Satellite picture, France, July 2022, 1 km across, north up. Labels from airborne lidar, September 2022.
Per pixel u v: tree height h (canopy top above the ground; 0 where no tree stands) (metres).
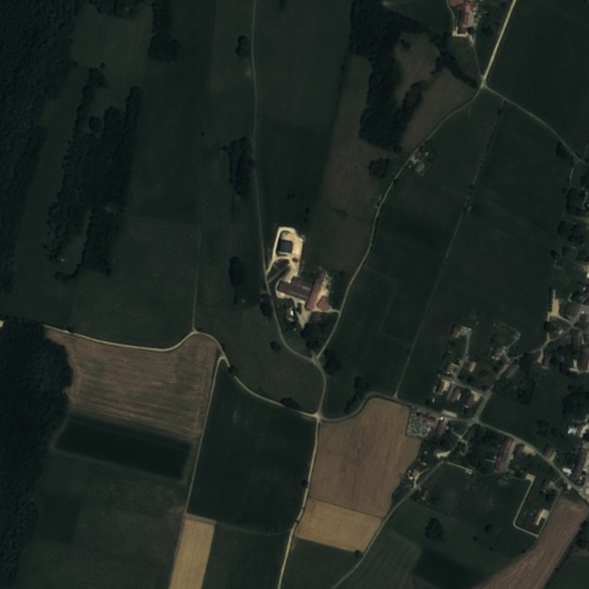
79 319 0
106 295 0
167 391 0
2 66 19
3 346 19
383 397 0
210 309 0
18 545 18
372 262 0
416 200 0
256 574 0
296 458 0
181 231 0
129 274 0
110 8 10
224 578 0
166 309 0
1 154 16
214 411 0
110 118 19
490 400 0
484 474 6
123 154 16
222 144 0
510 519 0
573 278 0
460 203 0
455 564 0
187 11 0
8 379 15
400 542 0
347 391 0
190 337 0
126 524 0
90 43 0
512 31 0
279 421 0
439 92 0
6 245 17
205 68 0
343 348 0
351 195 0
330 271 0
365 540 0
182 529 0
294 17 0
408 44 16
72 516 0
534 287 0
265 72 0
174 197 0
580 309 0
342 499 0
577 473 0
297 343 0
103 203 17
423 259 0
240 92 0
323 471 0
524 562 0
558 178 0
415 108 9
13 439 15
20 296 0
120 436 0
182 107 0
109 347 0
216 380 0
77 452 0
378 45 18
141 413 0
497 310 0
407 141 0
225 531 0
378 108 19
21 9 22
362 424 0
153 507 0
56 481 0
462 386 0
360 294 0
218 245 0
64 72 18
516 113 0
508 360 0
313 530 0
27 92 18
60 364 13
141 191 0
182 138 0
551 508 0
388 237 0
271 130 0
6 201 16
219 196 0
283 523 0
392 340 0
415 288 0
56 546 0
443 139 0
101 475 0
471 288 0
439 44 17
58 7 16
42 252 0
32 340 19
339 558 0
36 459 19
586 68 0
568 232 9
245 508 0
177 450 0
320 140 0
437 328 0
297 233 0
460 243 0
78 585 0
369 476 0
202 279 0
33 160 18
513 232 0
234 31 0
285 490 0
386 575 0
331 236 0
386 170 8
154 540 0
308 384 0
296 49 0
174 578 0
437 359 0
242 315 0
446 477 0
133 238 0
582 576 0
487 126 0
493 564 0
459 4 0
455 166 0
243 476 0
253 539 0
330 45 0
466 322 0
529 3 0
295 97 0
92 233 18
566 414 13
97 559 0
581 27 0
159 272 0
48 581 0
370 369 0
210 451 0
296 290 0
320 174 0
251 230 0
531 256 0
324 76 0
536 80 0
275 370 0
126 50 0
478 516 0
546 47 0
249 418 0
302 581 0
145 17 0
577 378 11
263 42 0
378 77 20
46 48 19
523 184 0
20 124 19
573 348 7
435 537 18
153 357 0
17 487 15
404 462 0
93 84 14
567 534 0
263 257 0
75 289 0
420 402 0
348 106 0
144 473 0
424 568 0
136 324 0
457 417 0
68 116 0
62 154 0
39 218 0
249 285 0
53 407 22
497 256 0
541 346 0
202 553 0
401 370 0
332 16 0
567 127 0
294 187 0
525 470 6
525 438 0
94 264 21
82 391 0
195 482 0
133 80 0
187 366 0
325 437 0
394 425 0
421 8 0
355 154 0
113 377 0
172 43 13
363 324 0
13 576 15
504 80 0
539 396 0
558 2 0
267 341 0
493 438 7
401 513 0
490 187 0
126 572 0
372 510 0
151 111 0
